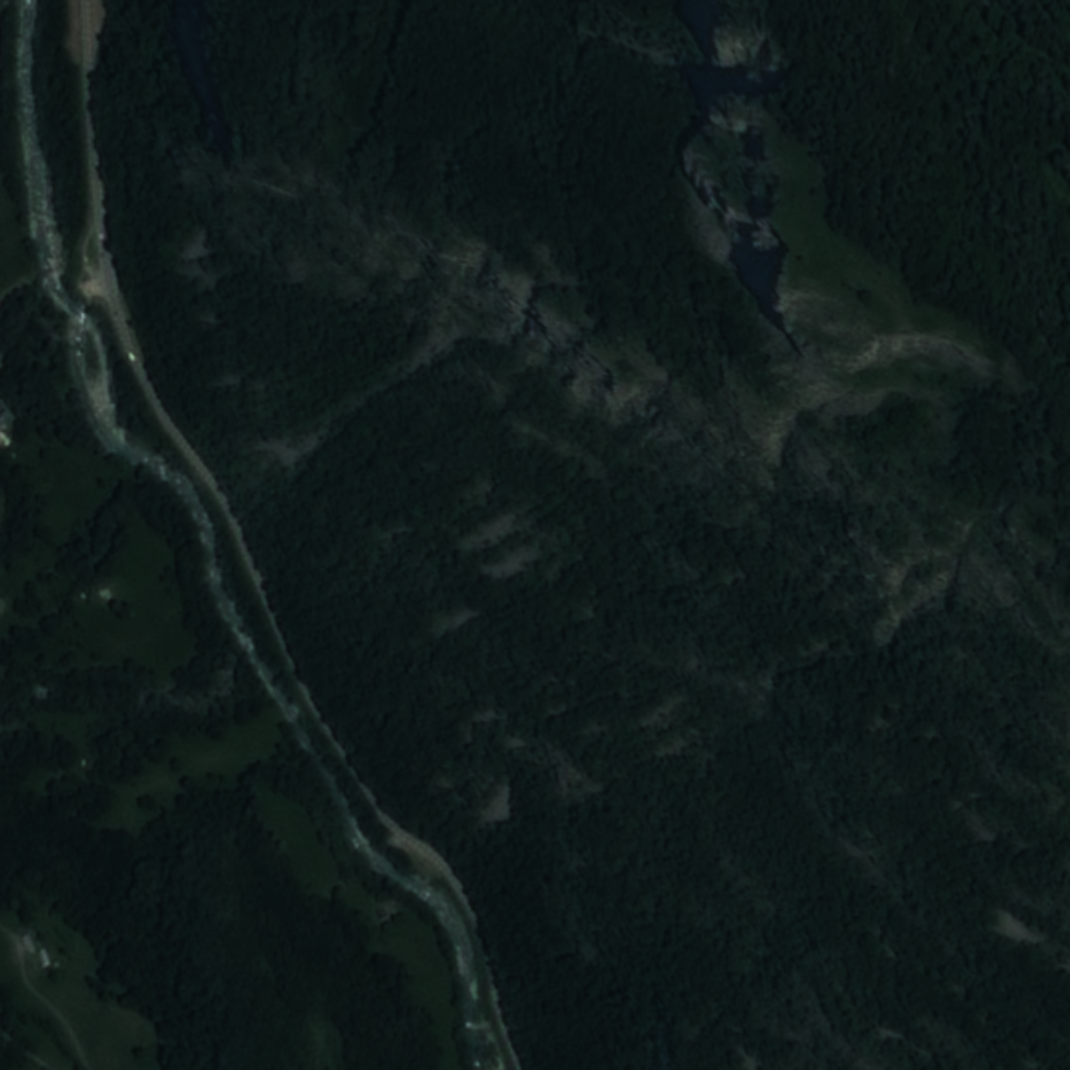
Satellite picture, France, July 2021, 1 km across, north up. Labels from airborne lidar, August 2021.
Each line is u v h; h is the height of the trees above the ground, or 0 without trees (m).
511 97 21
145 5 13
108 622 0
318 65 7
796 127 10
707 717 8
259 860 19
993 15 26
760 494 9
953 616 6
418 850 0
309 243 6
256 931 13
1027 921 8
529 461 14
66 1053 11
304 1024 8
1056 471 9
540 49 23
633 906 12
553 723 16
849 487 10
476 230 12
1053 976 16
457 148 11
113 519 15
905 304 0
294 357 12
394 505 12
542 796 14
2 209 0
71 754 15
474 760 16
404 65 17
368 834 15
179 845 11
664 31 6
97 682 14
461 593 16
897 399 8
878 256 9
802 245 0
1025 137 14
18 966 0
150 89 15
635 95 17
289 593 20
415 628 15
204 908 13
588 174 25
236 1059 34
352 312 12
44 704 13
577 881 13
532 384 7
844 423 9
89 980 13
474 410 11
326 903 14
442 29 23
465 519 10
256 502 6
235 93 21
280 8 21
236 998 18
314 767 17
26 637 17
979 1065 8
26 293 17
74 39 0
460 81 21
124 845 27
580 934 6
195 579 19
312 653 17
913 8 24
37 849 11
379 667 18
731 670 8
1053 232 31
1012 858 12
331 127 7
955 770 15
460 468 14
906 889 7
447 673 15
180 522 19
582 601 15
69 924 17
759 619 18
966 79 32
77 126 12
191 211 9
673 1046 10
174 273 11
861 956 16
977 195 18
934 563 6
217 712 13
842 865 7
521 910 25
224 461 11
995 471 16
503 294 8
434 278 10
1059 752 6
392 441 17
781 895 8
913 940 17
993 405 17
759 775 16
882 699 15
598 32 14
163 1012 24
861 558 6
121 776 13
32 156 0
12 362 21
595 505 10
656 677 9
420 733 22
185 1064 21
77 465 0
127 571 0
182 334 18
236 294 14
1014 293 20
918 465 9
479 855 14
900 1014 12
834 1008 11
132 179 15
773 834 15
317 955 21
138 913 26
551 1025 23
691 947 16
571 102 20
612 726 6
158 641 0
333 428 10
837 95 16
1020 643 9
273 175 9
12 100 12
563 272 8
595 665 9
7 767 13
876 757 11
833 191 14
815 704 9
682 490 12
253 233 6
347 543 17
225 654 20
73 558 15
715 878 11
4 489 9
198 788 11
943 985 11
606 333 19
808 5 10
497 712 7
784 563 11
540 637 17
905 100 18
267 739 0
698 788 13
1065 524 10
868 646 14
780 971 11
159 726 14
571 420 8
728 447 8
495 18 17
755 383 8
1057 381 18
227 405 17
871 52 19
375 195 9
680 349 9
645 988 20
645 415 8
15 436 13
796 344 12
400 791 17
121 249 14
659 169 21
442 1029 0
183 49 11
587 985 17
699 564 17
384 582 13
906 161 17
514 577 9
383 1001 20
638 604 10
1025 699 7
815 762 6
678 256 17
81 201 8
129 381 18
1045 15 26
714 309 13
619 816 16
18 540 16
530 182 21
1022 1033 15
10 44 16
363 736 18
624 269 16
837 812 13
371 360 6
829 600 8
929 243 15
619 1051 23
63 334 17
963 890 8
